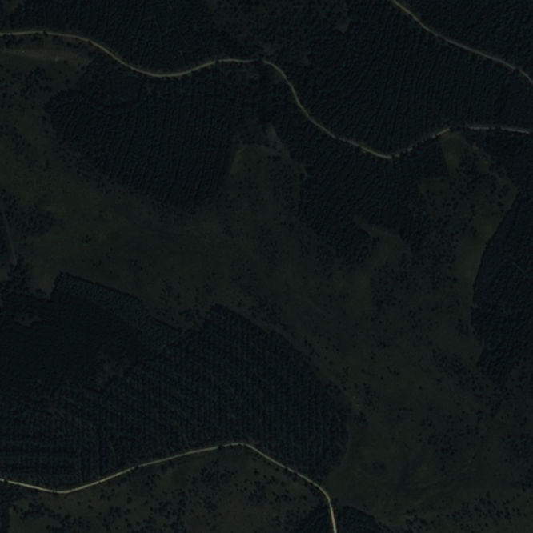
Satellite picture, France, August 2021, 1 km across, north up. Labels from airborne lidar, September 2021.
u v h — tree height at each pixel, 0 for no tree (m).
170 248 0
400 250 0
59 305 11
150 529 6
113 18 18
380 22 22
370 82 16
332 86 22
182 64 17
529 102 8
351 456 0
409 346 0
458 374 7
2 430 13
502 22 16
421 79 17
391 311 0
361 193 15
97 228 0
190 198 22
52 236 0
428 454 0
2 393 9
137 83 8
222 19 0
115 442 17
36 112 0
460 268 0
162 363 17
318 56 18
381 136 16
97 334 10
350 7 16
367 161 17
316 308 0
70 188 0
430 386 0
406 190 19
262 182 0
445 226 9
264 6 8
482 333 10
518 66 11
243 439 13
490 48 7
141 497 0
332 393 10
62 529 8
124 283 0
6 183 0
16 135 7
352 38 18
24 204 0
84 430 13
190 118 17
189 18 16
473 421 0
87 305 10
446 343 0
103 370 6
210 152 21
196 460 0
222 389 13
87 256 0
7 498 7
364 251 10
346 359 0
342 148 18
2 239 14
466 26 16
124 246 0
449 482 0
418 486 0
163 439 14
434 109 19
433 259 8
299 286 0
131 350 10
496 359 12
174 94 16
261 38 10
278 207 0
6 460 13
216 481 8
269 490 0
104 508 0
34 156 0
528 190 16
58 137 9
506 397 6
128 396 10
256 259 0
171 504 7
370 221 15
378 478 0
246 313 0
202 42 20
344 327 0
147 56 15
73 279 16
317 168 20
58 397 9
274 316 8
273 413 11
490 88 14
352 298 0
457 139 0
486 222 0
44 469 21
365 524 13
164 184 20
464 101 16
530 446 9
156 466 0
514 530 0
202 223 0
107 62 8
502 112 15
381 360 0
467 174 11
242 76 8
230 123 22
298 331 0
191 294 0
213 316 12
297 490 0
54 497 8
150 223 0
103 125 21
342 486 0
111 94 7
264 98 14
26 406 10
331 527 15
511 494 0
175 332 13
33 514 9
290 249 0
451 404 0
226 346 12
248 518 0
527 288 18
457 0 8
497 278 13
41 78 14
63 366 8
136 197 0
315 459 10
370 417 0
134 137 22
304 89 19
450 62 17
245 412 16
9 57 0
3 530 7
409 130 19
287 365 20
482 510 7
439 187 0
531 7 8
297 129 21
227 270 0
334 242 17
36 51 0
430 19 17
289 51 10
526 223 16
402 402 0
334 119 17
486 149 9
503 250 7
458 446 0
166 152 19
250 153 0
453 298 0
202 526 0
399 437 0
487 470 0
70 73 0
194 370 12
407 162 19
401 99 19
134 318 13
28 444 11
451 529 0
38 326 8
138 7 15
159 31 16
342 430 8
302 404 12
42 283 0
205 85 15
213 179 21
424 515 0
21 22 19
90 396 11
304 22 10
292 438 10
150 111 22
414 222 18
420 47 20
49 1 9
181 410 12
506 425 0
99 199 0
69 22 21
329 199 22
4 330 11
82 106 23
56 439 23
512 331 17
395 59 19
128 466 9
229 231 7
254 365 11
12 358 8
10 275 12
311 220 15
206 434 10
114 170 22
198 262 0
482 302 8
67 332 9
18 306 10
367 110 15
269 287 0
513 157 15
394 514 0
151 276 0
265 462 0
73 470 18
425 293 0
